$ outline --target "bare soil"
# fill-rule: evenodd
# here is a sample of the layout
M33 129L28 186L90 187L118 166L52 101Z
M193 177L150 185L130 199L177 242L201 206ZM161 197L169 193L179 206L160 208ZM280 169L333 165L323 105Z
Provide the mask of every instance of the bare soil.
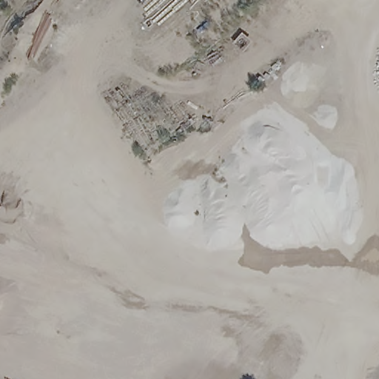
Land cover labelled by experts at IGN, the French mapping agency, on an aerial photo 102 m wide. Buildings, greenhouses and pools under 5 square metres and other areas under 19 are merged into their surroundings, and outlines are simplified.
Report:
M0 0L0 52L12 53L18 44L19 28L25 19L36 12L43 0Z

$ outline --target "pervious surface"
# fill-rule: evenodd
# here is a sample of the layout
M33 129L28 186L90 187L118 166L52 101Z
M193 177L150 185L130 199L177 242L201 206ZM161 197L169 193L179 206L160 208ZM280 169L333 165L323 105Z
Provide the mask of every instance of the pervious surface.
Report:
M188 31L194 30L209 16L215 22L219 21L222 10L231 10L232 4L237 3L237 0L43 0L36 12L25 19L19 28L18 44L12 53L0 52L0 379L379 379L379 0L269 0L259 4L259 15L255 21L250 24L241 22L240 30L232 34L229 43L219 46L216 50L210 50L207 53L209 62L197 64L195 73L178 71L161 77L158 76L158 68L182 64L194 56L194 47L189 44L187 37ZM157 127L164 127L175 135L175 129L178 129L181 121L191 123L194 130L184 141L175 142L154 154L152 151L160 144Z

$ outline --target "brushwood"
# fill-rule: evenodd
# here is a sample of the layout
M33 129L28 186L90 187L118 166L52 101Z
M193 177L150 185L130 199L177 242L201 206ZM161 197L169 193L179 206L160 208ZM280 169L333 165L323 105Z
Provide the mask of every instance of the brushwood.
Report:
M209 62L207 53L210 50L216 50L219 46L229 43L232 34L240 30L241 22L250 24L255 21L259 15L259 4L269 0L237 0L237 3L232 4L231 10L222 10L219 21L215 22L209 16L194 30L188 31L187 37L189 44L194 47L194 56L182 64L158 68L158 76L161 77L178 71L195 73L197 64Z
M184 141L194 130L191 123L181 121L178 129L175 129L175 135L164 127L157 127L160 144L152 151L154 154L175 142Z

